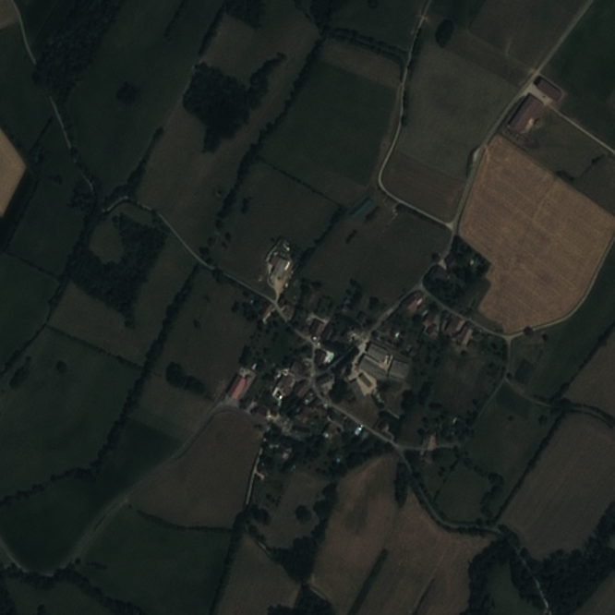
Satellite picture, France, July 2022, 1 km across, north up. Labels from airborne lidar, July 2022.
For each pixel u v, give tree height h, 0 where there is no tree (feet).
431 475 0
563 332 0
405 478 46
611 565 49
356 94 0
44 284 0
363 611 0
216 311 0
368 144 0
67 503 0
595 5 0
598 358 0
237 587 0
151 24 0
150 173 0
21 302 0
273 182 0
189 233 0
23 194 0
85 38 62
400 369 0
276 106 0
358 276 0
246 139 0
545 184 0
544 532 0
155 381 0
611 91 0
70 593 0
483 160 0
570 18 0
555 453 0
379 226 0
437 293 37
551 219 0
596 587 24
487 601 73
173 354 0
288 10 0
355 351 36
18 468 0
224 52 0
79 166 50
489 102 0
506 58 0
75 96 0
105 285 72
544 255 0
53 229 0
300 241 0
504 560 67
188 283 27
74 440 0
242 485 0
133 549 0
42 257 0
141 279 63
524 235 0
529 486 0
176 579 0
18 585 0
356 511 0
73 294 0
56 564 0
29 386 0
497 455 0
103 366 0
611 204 0
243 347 0
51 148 0
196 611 0
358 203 0
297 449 38
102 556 0
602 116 0
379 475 0
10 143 0
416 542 0
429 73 0
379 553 0
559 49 0
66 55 59
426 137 0
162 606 0
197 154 0
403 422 36
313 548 73
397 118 0
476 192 0
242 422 0
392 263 0
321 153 0
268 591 0
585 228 0
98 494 0
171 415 0
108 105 0
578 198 0
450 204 0
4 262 0
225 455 0
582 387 0
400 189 0
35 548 0
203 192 0
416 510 0
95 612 0
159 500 0
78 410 0
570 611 52
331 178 0
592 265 0
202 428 0
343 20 0
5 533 0
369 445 42
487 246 0
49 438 0
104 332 0
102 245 0
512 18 0
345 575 0
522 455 0
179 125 0
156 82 0
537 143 0
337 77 0
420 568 0
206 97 53
